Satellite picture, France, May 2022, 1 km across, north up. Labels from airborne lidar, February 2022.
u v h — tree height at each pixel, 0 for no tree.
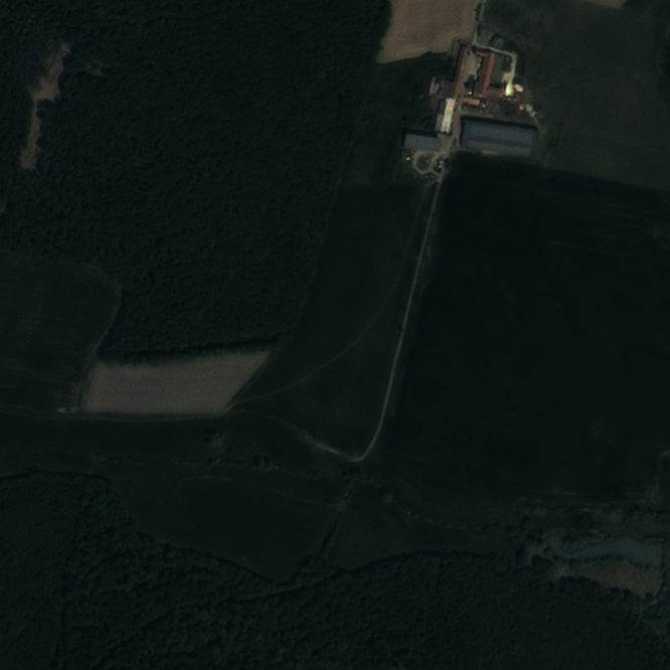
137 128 22
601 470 0
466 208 0
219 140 25
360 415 0
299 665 30
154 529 0
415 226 0
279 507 0
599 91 0
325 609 21
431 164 0
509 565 14
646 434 0
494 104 0
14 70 21
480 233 0
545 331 0
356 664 23
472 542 0
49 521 13
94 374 0
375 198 0
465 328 0
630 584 0
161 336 24
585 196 0
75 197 22
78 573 27
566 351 0
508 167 0
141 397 0
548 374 0
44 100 0
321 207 25
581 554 0
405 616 26
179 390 0
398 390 0
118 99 22
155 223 20
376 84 0
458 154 0
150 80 23
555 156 0
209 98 25
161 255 23
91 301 0
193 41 24
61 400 0
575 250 0
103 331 0
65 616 23
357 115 15
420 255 0
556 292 0
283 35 26
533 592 15
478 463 0
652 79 0
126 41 22
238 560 0
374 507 0
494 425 0
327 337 0
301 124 23
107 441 0
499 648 16
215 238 22
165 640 27
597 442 0
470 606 18
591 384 0
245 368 0
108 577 20
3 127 20
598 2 0
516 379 0
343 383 0
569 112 0
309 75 26
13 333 0
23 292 0
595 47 0
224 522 0
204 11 21
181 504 0
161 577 27
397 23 0
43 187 24
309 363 0
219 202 21
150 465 0
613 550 0
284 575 0
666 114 0
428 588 25
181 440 0
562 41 0
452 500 0
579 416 0
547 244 0
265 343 18
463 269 0
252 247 25
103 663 23
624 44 0
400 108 0
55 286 0
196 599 23
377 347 0
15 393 0
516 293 0
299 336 0
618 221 0
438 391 0
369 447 0
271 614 28
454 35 0
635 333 0
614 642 13
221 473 0
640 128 0
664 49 0
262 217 22
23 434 0
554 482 0
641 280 0
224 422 0
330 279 0
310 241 23
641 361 0
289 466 0
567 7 0
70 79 21
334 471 0
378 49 16
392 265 0
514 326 0
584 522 17
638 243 0
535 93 0
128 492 0
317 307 0
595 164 0
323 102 24
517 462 0
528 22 0
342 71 26
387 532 0
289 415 0
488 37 0
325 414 0
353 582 20
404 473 0
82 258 19
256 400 0
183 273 21
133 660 24
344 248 0
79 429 0
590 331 0
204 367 0
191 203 25
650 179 0
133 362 18
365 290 0
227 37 25
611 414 0
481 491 0
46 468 0
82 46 19
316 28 23
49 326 0
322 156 24
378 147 0
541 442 0
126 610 28
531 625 13
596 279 0
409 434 0
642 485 0
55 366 0
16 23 19
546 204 0
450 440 0
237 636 29
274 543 0
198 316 22
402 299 0
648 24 0
